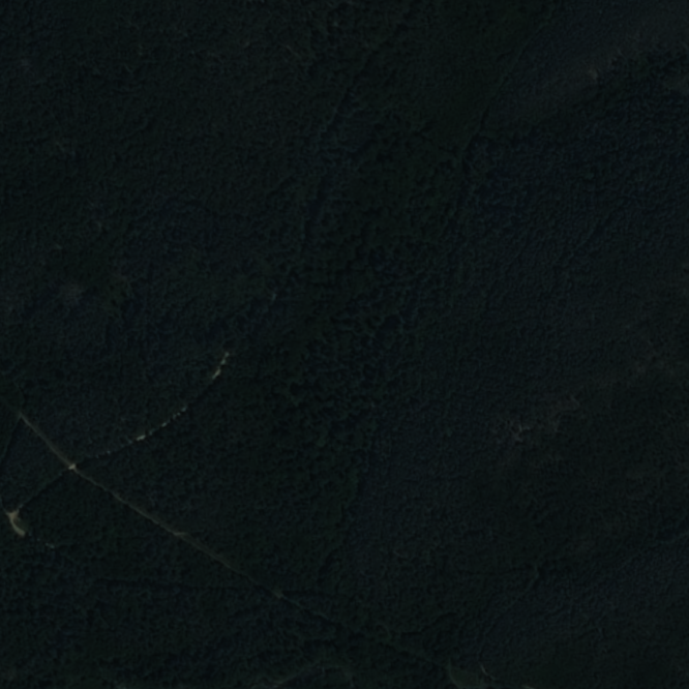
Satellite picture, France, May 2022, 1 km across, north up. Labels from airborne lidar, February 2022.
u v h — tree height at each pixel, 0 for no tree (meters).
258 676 20
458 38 13
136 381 19
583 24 21
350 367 35
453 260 14
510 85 18
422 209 27
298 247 21
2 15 24
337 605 26
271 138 24
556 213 22
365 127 21
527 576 23
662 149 22
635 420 15
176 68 22
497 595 26
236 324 13
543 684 10
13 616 18
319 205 33
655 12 12
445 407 18
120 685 16
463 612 15
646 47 15
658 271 14
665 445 9
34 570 25
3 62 25
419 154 29
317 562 16
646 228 19
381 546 13
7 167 17
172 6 12
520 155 23
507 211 33
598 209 22
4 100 20
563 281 18
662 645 13
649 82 18
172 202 29
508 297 14
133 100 21
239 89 23
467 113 13
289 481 27
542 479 13
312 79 20
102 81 16
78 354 30
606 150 18
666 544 19
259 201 18
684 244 10
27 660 24
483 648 15
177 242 23
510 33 11
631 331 11
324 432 24
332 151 37
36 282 16
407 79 17
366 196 27
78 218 13
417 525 18
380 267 23
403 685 19
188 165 20
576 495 13
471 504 18
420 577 17
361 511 21
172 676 16
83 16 18
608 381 10
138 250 24
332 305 30
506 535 23
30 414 19
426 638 14
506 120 17
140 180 19
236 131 22
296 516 20
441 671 14
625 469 12
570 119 17
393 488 18
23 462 20
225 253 28
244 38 19
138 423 17
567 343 21
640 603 12
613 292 16
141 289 27
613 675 14
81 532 20
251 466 16
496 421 16
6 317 19
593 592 18
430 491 18
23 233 19
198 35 20
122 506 8
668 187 19
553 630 15
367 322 12
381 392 24
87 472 19
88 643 19
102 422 17
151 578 10
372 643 20
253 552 18
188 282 11
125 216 17
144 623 13
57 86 16
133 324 33
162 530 18
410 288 16
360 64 20
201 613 13
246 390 10
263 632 33
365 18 28
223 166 16
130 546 14
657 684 11
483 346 21
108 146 21
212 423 13
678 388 11
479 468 16
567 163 25
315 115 22
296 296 29
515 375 19
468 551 15
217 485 14
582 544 17
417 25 24
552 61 18
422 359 15
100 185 18
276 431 24
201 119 20
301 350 15
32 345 12
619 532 12
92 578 25
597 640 12
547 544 16
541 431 10
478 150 21
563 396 13
